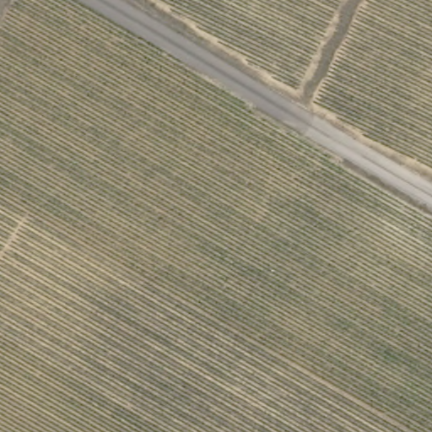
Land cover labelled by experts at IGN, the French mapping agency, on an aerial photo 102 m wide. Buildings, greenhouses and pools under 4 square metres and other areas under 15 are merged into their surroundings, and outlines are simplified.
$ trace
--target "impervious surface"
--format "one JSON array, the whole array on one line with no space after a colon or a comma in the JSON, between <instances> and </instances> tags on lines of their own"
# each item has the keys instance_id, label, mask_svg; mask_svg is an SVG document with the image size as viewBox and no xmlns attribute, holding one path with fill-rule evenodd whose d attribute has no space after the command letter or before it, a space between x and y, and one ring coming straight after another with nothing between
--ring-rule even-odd
<instances>
[{"instance_id":1,"label":"impervious surface","mask_svg":"<svg viewBox=\"0 0 432 432\"><path fill-rule=\"evenodd\" d=\"M407 192L417 201L424 202L432 208L432 182L403 169L402 165L385 159L383 155L376 154L363 143L356 142L341 130L331 127L326 121L319 120L314 116L312 106L304 105L300 96L275 88L262 79L255 81L248 78L235 67L219 61L218 57L211 56L208 51L192 44L191 40L175 34L174 30L167 29L165 25L150 19L145 13L138 12L121 0L81 0L88 3L89 7L96 8L98 12L116 20L118 24L133 30L135 34L154 42L169 54L179 57L186 66L194 67L197 73L201 73L204 81L226 89L240 100L248 101L273 120L297 128L312 142L322 143L324 147L331 148L332 152L343 154L346 159L353 160L354 164L370 170L371 174L378 175L391 186L398 187L400 191Z\"/></svg>"}]
</instances>

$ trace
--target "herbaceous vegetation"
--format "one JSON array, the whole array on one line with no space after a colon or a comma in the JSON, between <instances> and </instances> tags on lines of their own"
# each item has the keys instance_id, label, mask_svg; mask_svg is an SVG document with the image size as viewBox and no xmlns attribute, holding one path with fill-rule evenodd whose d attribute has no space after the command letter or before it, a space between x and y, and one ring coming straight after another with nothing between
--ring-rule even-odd
<instances>
[{"instance_id":1,"label":"herbaceous vegetation","mask_svg":"<svg viewBox=\"0 0 432 432\"><path fill-rule=\"evenodd\" d=\"M208 51L211 56L218 57L219 61L235 67L248 78L255 81L262 79L250 69L246 69L238 59L211 46L208 40L192 32L184 22L170 17L169 13L155 7L154 3L148 0L121 0L138 12L145 13L150 19L165 25L167 29L174 30L175 34L191 40L192 44Z\"/></svg>"}]
</instances>

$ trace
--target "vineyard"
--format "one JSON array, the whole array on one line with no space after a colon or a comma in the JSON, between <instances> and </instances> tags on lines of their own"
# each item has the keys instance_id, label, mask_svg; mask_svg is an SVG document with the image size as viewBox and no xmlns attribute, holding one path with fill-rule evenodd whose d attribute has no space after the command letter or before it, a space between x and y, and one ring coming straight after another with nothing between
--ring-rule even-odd
<instances>
[{"instance_id":1,"label":"vineyard","mask_svg":"<svg viewBox=\"0 0 432 432\"><path fill-rule=\"evenodd\" d=\"M376 154L383 155L385 159L402 165L403 169L432 182L432 0L148 0L154 3L155 7L169 13L170 17L184 22L192 32L208 40L211 46L238 59L246 69L250 69L262 79L275 88L300 96L304 105L312 106L314 116L319 120L326 121L331 127L341 130L356 142L363 143Z\"/></svg>"},{"instance_id":2,"label":"vineyard","mask_svg":"<svg viewBox=\"0 0 432 432\"><path fill-rule=\"evenodd\" d=\"M226 89L204 81L201 73L197 73L194 67L186 66L179 57L169 54L154 42L135 34L133 30L118 24L116 20L98 12L96 8L89 7L88 3L81 0L0 0L0 432L432 432L432 208L424 202L417 201L407 192L400 191L398 187L391 186L378 175L371 174L370 170L354 164L353 160L346 159L343 154L332 152L331 148L324 147L322 143L312 142L297 128L273 120L248 101L240 100Z\"/></svg>"}]
</instances>

